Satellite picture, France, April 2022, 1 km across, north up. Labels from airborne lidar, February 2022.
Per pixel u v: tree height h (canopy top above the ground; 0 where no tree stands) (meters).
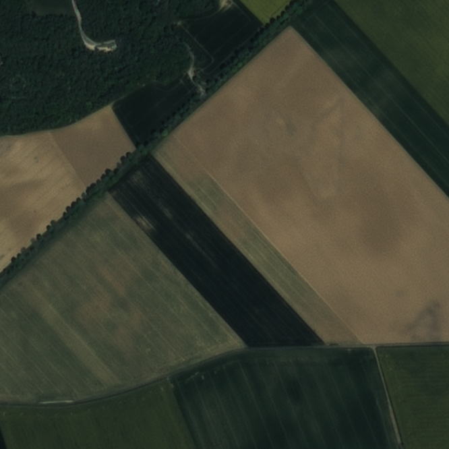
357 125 0
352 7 0
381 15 0
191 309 0
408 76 0
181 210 0
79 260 0
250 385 0
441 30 0
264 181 0
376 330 0
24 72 14
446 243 0
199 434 0
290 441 0
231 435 0
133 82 15
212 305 0
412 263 0
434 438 0
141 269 0
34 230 0
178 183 0
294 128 0
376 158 0
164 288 0
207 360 0
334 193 0
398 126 0
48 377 0
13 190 0
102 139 0
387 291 0
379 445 0
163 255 0
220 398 0
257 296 0
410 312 0
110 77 15
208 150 0
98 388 0
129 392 0
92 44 0
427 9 0
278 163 0
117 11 12
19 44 16
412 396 0
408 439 0
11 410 0
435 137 0
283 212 0
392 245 0
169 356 0
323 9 0
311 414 0
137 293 0
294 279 0
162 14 21
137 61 7
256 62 0
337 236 0
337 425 0
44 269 0
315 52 0
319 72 0
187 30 0
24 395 0
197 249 0
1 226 0
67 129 0
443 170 0
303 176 0
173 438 0
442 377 0
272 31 20
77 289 0
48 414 0
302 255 0
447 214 0
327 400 0
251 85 0
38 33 15
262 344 0
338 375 0
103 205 0
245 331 0
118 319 0
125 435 0
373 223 0
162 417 0
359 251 0
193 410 0
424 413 0
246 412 0
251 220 0
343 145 0
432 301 0
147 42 22
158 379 0
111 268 0
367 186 0
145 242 0
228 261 0
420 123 0
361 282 0
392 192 0
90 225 0
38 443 0
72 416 0
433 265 0
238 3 0
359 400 0
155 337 0
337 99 0
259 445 0
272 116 0
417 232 0
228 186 0
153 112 0
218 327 0
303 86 0
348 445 0
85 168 0
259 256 0
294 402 0
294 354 0
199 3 23
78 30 19
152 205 0
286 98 0
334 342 0
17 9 10
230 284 0
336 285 0
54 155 0
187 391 0
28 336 0
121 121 0
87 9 13
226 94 0
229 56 0
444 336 0
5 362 0
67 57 21
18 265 16
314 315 0
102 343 0
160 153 0
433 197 0
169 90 0
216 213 0
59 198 0
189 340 0
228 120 0
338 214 0
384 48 0
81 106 21
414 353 0
